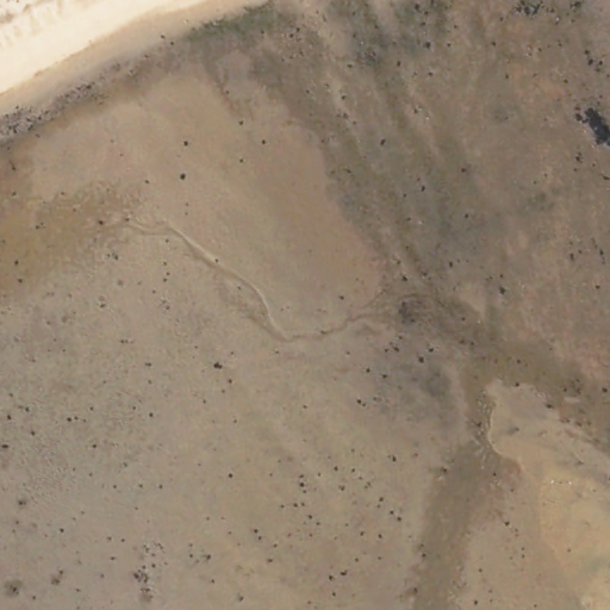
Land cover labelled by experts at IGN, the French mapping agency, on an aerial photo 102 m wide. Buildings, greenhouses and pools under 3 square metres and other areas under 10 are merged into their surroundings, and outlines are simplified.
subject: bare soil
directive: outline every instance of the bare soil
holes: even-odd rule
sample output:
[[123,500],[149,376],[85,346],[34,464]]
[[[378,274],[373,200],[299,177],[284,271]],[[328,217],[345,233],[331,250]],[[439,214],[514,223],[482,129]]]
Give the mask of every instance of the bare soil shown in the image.
[[610,0],[0,0],[0,610],[610,610]]

